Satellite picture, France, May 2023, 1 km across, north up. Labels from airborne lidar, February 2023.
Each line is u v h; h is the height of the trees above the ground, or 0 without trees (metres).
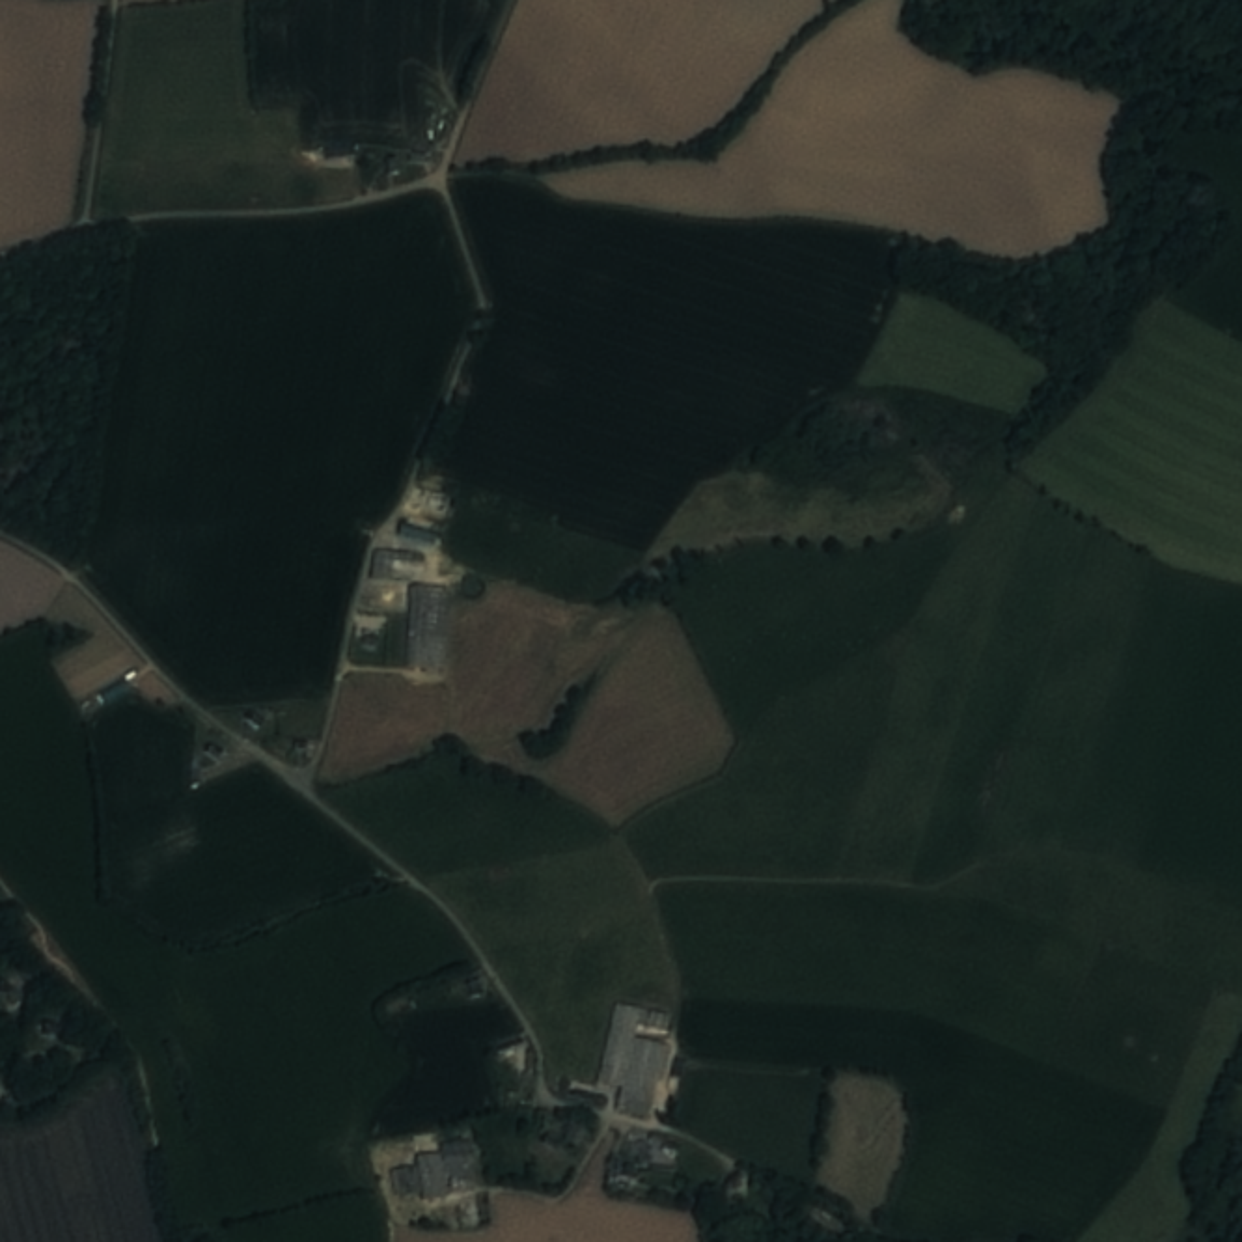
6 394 8
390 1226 0
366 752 0
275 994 0
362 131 0
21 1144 0
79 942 0
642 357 0
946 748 0
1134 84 7
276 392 0
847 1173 0
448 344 0
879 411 12
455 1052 0
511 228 0
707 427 0
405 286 0
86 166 13
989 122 0
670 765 0
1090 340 24
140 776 0
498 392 0
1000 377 0
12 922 15
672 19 0
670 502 0
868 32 0
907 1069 0
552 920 0
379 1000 7
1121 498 0
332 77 0
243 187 0
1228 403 0
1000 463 0
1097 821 0
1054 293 20
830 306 0
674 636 0
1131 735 0
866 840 0
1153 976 0
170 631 0
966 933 0
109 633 0
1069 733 0
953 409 0
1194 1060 0
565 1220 0
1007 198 0
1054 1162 0
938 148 0
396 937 0
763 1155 0
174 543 0
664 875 0
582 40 0
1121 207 14
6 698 0
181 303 0
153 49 0
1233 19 18
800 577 0
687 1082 0
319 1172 0
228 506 0
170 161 0
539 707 0
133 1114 8
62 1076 12
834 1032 0
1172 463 0
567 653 0
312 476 0
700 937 0
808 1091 0
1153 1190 0
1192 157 0
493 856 0
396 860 0
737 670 0
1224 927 0
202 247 0
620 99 0
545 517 0
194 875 0
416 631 0
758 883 0
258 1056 0
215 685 0
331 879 0
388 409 0
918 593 0
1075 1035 0
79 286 14
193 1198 0
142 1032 0
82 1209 0
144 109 0
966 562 0
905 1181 0
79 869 0
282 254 0
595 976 0
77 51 0
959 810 0
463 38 0
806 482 0
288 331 0
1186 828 0
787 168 0
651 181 0
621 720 0
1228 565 0
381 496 0
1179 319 0
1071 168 0
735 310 0
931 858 0
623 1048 0
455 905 0
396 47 0
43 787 0
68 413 14
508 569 0
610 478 0
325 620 0
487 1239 0
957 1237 0
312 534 0
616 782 0
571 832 0
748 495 0
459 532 0
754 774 0
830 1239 14
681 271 0
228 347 0
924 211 0
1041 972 0
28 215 0
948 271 17
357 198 0
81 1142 0
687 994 0
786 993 0
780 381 0
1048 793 0
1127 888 0
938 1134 0
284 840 0
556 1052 0
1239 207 0
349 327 0
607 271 0
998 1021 0
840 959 0
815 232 0
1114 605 0
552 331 0
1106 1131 0
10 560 0
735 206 0
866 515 0
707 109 0
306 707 0
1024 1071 0
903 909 0
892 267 14
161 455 0
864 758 0
